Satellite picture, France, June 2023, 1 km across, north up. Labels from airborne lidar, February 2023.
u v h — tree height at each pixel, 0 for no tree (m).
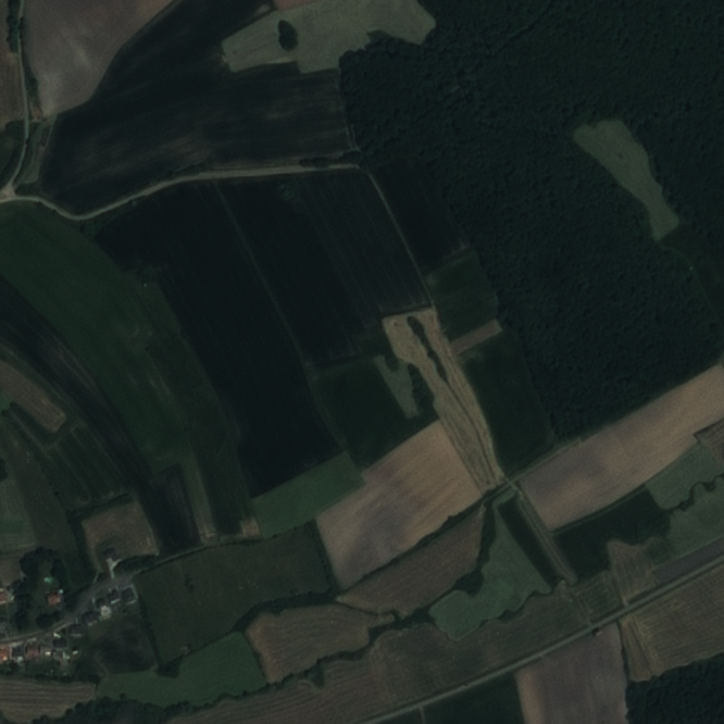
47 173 0
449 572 0
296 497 0
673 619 0
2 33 0
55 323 0
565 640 0
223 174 0
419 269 0
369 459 0
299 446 0
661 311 22
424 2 17
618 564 0
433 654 0
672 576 0
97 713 10
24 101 0
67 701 0
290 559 0
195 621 0
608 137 0
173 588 0
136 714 0
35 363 0
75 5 0
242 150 0
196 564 0
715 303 0
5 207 0
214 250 0
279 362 0
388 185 0
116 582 0
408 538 0
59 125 0
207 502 0
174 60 0
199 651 0
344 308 0
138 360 0
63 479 0
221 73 0
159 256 0
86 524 0
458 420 0
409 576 0
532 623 0
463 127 28
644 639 0
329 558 0
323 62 0
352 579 0
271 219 0
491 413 0
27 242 0
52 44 0
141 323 0
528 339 18
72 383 0
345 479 0
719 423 0
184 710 12
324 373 0
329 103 0
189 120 0
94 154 0
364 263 0
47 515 0
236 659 0
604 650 0
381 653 0
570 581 0
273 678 0
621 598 0
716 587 0
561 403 21
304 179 0
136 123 0
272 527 0
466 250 0
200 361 0
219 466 0
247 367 0
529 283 23
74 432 0
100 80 0
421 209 0
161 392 0
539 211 27
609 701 0
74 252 0
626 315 26
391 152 24
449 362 0
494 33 23
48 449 0
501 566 0
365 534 0
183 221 0
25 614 11
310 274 0
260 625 0
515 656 0
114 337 0
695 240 0
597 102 15
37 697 0
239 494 0
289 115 0
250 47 0
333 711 0
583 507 0
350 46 0
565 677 0
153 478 0
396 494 0
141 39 0
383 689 0
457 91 25
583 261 27
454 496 0
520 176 27
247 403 0
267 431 0
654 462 0
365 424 0
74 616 0
